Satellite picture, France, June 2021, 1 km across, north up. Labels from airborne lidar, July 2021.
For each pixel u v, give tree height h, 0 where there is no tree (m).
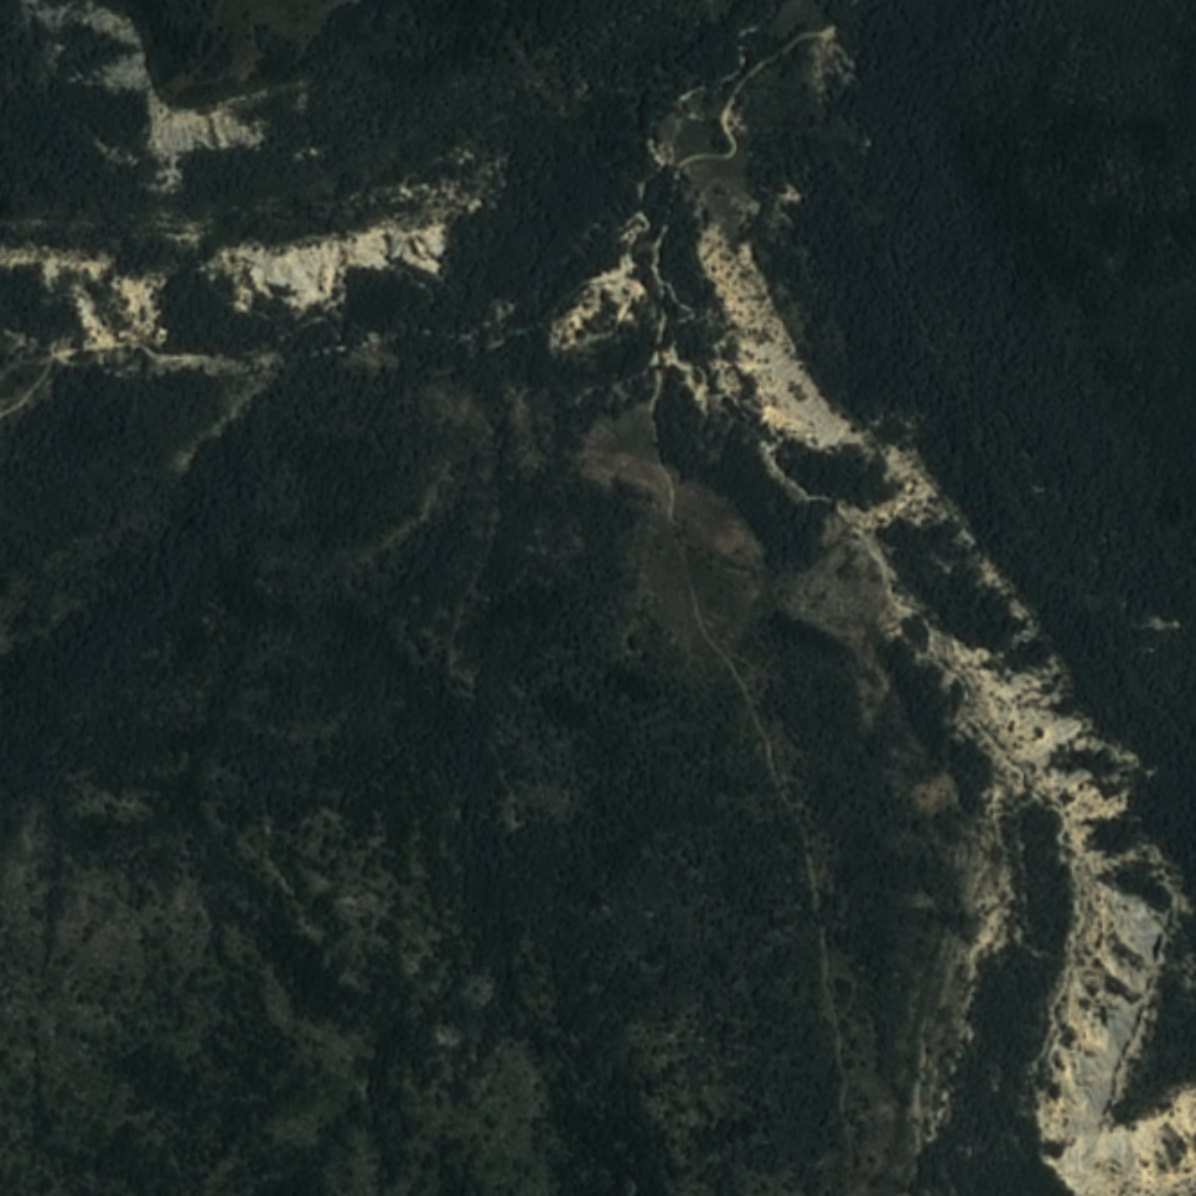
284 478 9
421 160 8
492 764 6
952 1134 7
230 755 9
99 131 9
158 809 7
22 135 7
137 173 7
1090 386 6
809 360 7
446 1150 8
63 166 9
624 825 7
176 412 6
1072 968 0
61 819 7
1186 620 6
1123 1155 0
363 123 10
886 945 7
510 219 12
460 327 12
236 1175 7
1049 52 8
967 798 6
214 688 9
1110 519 8
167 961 7
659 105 10
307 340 6
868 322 8
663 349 6
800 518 5
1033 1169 7
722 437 7
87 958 0
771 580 0
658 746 8
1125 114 8
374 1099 8
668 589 0
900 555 6
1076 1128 0
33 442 6
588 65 11
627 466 0
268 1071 7
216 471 9
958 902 6
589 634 10
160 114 0
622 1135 9
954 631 8
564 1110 6
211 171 8
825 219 9
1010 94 8
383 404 11
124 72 0
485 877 9
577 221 15
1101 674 8
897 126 10
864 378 9
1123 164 7
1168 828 8
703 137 0
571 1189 8
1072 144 7
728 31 15
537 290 11
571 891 8
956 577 7
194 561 11
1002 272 6
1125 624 6
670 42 11
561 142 11
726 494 8
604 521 8
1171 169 9
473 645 5
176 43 7
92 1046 6
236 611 9
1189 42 8
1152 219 8
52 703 7
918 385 10
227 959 7
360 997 9
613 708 6
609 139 9
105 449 7
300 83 0
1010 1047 7
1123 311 7
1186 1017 8
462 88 8
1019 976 7
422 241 0
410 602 6
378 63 7
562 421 7
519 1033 7
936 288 8
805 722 7
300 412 7
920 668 7
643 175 6
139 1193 6
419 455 10
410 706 7
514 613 10
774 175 8
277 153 8
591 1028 9
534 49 14
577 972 9
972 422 9
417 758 7
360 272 8
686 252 8
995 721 0
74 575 8
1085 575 6
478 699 7
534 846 8
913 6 12
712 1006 7
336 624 9
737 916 8
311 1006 9
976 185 6
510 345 9
